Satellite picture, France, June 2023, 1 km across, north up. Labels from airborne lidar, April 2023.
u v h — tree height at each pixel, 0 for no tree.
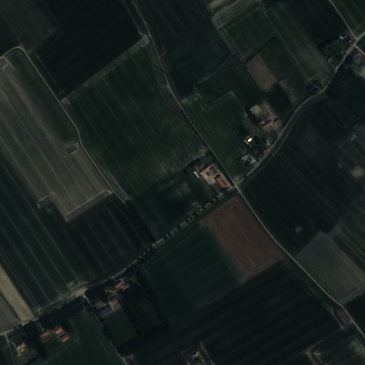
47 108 0
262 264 0
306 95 0
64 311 26
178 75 0
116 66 0
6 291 0
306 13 0
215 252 0
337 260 0
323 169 0
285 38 0
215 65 0
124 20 0
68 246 0
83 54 0
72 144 0
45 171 0
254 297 0
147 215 0
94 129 0
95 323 0
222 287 0
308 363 0
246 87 0
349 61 20
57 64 0
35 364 0
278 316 0
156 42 0
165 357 0
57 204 0
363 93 0
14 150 0
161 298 0
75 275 0
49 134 0
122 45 0
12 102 0
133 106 0
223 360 0
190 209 0
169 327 23
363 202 0
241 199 0
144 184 0
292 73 0
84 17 0
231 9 0
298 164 0
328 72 0
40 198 0
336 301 0
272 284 0
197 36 0
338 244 0
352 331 0
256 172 0
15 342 0
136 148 0
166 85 0
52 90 0
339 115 0
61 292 0
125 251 0
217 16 0
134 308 0
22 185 0
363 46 0
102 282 0
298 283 0
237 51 0
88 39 0
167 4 0
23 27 0
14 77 0
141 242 0
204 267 0
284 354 0
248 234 0
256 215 0
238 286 0
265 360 0
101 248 0
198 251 0
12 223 0
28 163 0
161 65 0
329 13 0
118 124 0
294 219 0
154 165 0
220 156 0
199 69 0
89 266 0
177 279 0
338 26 0
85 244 0
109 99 0
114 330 0
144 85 0
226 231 0
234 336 0
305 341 0
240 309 0
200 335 0
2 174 0
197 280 0
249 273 0
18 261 0
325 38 0
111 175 0
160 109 0
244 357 0
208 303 0
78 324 0
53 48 0
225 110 0
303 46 0
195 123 0
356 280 0
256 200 0
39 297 0
